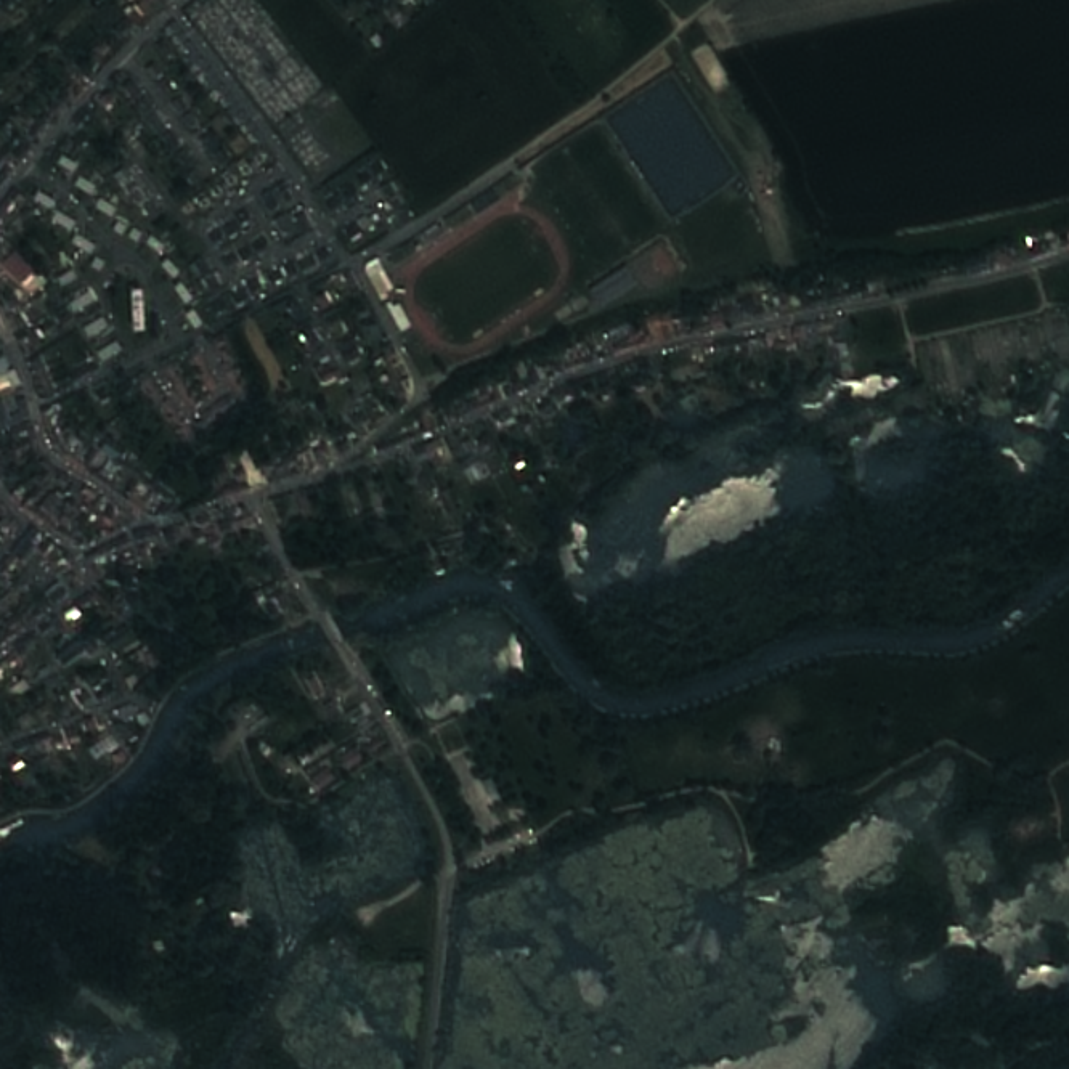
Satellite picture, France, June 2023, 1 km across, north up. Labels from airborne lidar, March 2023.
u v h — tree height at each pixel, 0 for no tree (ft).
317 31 0
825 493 0
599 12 0
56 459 0
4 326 0
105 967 127
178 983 26
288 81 0
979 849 0
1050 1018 42
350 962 0
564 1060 0
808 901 0
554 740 0
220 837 38
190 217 0
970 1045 32
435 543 31
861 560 57
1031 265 0
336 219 0
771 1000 0
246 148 0
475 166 0
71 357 0
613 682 27
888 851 0
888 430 0
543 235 0
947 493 36
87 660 0
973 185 0
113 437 23
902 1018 25
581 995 0
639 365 22
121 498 0
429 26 0
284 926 0
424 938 0
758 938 0
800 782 0
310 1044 0
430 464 24
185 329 0
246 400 26
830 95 0
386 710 0
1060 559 31
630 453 31
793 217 0
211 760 21
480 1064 0
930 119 0
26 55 0
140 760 0
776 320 0
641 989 0
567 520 84
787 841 56
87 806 0
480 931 0
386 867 0
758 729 0
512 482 0
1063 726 0
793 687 0
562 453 22
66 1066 0
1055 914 0
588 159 0
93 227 0
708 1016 0
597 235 0
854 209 0
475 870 17
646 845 0
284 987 0
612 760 54
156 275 0
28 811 0
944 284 0
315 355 0
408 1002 0
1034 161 0
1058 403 0
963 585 39
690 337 0
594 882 0
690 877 0
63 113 0
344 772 37
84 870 55
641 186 0
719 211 0
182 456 45
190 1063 0
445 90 0
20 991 108
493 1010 0
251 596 51
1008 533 47
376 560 0
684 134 0
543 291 0
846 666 0
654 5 0
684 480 0
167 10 0
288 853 0
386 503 30
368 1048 0
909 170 0
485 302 0
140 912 119
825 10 0
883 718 38
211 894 73
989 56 0
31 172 0
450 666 0
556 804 0
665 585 45
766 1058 0
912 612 32
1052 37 0
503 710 0
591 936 0
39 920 109
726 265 0
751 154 0
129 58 0
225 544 19
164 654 44
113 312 0
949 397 0
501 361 26
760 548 32
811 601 48
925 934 22
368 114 0
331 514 30
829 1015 0
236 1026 22
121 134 23
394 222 0
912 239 0
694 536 0
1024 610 0
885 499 36
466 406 0
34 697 31
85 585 0
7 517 0
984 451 25
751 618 27
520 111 0
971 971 23
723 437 0
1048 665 0
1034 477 20
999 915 0
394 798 0
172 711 0
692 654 28
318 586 0
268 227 0
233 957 73
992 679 0
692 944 0
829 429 0
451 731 0
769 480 0
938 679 0
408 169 0
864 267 45
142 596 24
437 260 0
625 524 0
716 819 0
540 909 0
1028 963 0
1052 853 0
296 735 0
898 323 0
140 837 20
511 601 0
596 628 24
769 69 0
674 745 0
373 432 0
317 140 0
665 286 0
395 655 0
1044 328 0
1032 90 0
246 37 0
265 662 47
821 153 0
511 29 0
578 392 21
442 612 24
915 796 0
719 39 0
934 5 0
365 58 0
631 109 0
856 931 0
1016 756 23
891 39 0
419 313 0
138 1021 0
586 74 0
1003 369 0
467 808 28
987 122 0
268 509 0
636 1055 0
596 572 0
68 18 0
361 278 0
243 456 0
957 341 0
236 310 0
